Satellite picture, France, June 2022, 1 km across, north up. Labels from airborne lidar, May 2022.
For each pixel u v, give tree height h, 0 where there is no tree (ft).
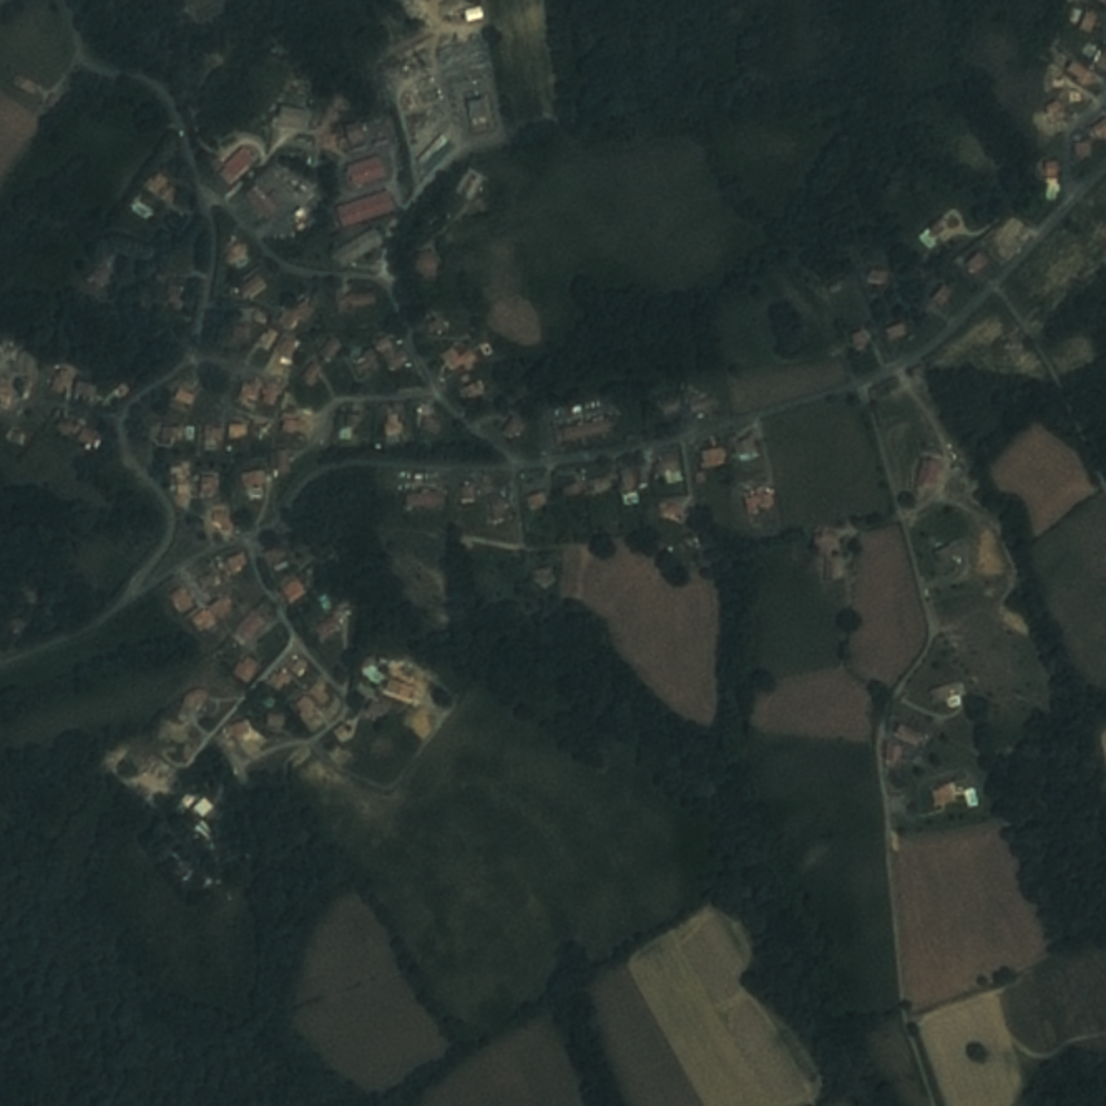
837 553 20
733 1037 0
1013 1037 0
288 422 0
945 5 33
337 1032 0
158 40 23
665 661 0
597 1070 59
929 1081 0
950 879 0
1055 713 35
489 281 0
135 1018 65
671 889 0
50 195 45
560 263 0
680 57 45
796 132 0
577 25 27
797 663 0
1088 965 0
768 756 0
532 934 0
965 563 0
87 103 31
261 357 0
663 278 0
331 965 0
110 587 0
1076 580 0
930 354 0
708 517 62
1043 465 0
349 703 43
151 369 62
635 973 0
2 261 66
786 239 53
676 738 59
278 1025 70
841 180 46
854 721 0
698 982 0
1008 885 0
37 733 0
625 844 0
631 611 0
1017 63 0
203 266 63
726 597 62
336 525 22
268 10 31
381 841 0
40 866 75
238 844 43
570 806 0
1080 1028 0
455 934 0
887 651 0
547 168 0
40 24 0
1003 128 43
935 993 0
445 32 0
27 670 0
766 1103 0
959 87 22
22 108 0
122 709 0
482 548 0
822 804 0
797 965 54
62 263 0
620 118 62
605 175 0
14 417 0
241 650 0
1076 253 0
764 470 0
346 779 0
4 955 54
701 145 45
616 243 0
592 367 27
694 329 49
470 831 0
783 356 49
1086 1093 52
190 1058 57
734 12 38
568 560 0
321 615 0
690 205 0
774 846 69
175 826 67
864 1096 49
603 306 41
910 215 0
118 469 0
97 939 78
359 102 24
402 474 0
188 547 0
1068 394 35
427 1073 34
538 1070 0
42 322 101
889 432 0
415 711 0
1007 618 0
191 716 0
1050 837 46
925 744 0
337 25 28
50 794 53
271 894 81
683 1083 0
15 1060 77
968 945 0
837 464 0
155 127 54
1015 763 53
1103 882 57
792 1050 0
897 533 0
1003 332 0
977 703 52
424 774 0
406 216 39
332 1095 76
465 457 25
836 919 0
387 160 0
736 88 36
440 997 0
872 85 50
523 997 0
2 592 31
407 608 73
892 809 0
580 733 45
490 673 39
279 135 0
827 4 28
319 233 25
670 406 0
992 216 36
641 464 30
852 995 0
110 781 32
